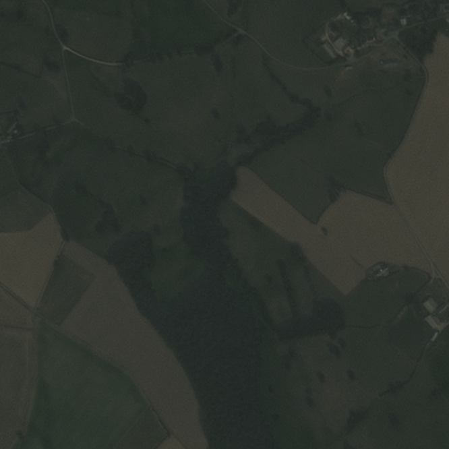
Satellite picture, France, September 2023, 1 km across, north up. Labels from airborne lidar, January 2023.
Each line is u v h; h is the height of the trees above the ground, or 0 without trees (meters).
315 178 0
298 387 0
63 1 0
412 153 0
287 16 0
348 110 0
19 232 0
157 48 0
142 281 7
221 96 0
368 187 0
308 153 0
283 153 0
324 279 0
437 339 0
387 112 0
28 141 0
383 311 0
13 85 0
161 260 0
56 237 0
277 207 0
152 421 0
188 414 0
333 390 0
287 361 0
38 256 0
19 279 0
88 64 0
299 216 0
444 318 0
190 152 0
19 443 0
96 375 0
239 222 0
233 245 0
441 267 0
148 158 22
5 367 0
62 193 0
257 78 0
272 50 0
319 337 0
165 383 0
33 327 0
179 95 0
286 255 0
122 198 0
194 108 0
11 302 0
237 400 15
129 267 27
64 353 0
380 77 0
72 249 0
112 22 0
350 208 0
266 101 0
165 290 0
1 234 0
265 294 0
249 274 0
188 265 0
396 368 0
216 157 0
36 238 0
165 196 0
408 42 0
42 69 0
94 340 0
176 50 0
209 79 0
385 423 0
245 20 0
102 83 0
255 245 0
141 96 20
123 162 0
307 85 0
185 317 22
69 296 0
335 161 0
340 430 0
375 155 0
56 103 0
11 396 0
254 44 0
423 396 0
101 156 0
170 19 0
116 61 0
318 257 0
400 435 0
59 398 0
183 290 0
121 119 0
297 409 0
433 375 0
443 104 0
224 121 0
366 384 0
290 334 19
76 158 0
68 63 0
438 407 0
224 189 25
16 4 0
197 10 0
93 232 0
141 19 0
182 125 0
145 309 22
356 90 0
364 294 0
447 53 0
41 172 0
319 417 0
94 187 0
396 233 0
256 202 0
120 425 0
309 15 0
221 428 24
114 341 0
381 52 0
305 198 0
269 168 0
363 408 0
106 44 0
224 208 0
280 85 9
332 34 0
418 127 0
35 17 0
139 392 0
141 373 0
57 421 0
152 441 0
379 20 8
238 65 0
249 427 26
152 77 0
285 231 0
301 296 0
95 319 0
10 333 0
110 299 0
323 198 0
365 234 0
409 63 0
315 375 0
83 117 0
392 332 0
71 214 0
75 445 0
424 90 0
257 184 0
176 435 0
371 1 0
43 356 0
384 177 0
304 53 0
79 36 0
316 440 0
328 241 0
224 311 18
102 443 0
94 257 0
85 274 0
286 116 0
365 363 0
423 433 0
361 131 22
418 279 0
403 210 0
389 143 0
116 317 0
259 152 9
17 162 0
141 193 0
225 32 0
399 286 0
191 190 16
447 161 0
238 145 0
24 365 0
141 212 0
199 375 23
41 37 0
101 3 0
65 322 0
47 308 0
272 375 0
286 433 0
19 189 0
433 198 0
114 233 0
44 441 0
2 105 0
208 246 18
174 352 15
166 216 0
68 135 0
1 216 0
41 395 0
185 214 18
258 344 20
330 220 0
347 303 0
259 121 0
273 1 0
